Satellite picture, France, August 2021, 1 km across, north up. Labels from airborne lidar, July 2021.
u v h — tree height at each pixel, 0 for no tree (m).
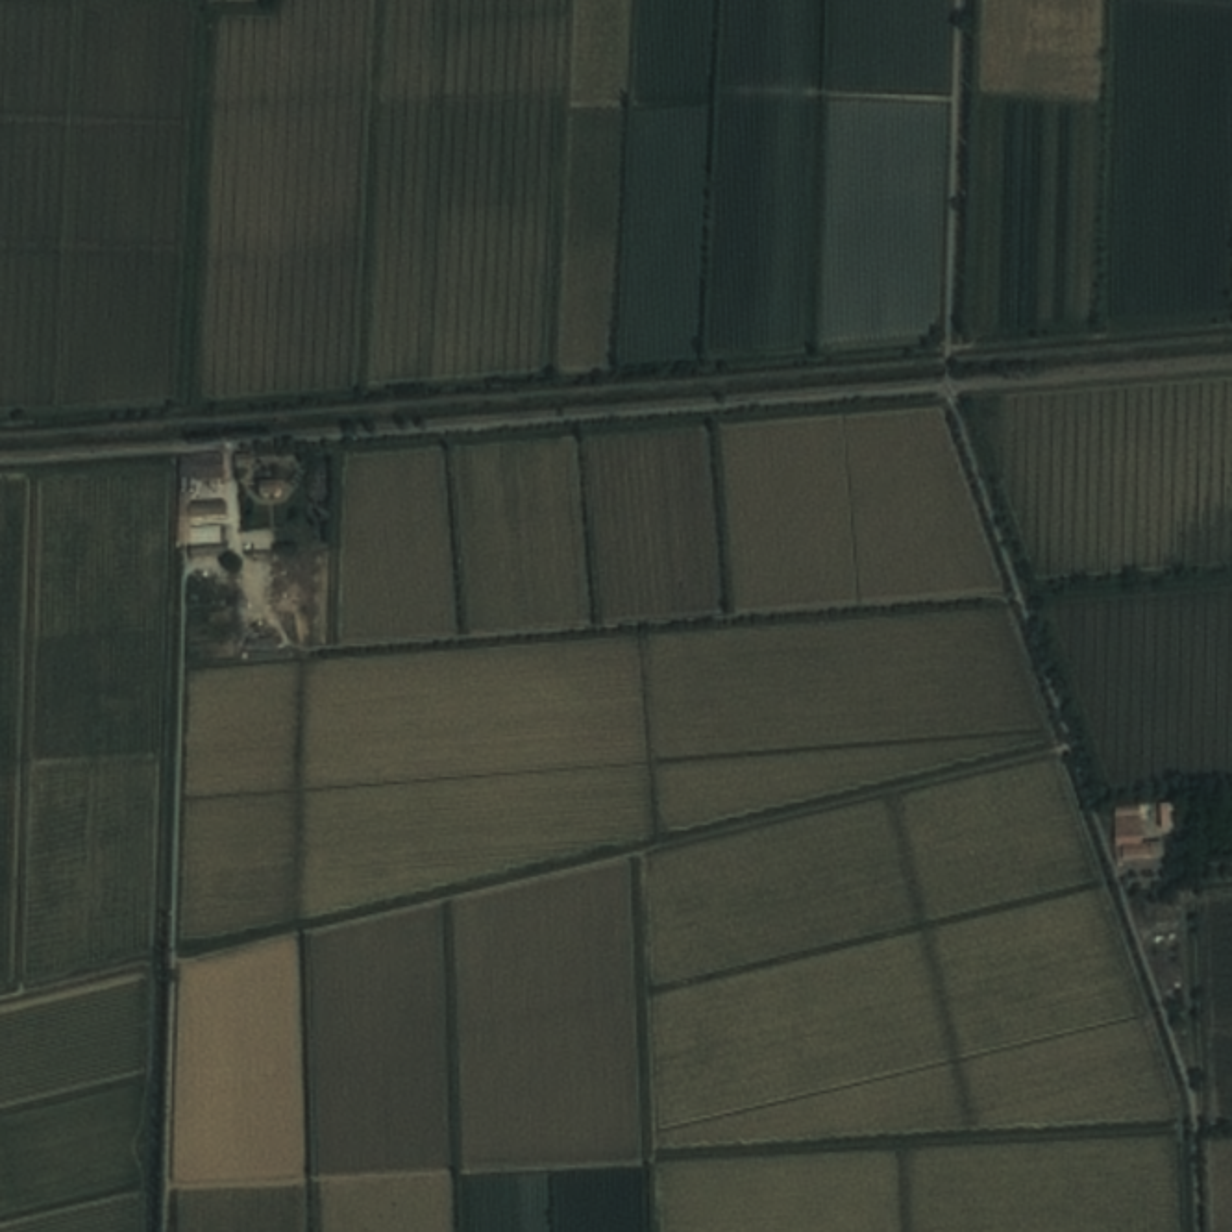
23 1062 0
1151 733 0
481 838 0
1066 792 0
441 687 0
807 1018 0
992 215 0
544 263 0
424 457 0
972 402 13
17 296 0
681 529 0
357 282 0
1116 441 0
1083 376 0
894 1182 0
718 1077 0
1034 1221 0
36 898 0
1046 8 0
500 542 0
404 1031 0
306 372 0
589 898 0
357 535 0
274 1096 0
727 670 0
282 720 0
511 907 0
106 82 0
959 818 0
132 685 0
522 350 0
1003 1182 0
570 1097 0
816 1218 0
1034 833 0
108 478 0
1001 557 7
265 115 0
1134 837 0
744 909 0
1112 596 0
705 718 0
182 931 0
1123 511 0
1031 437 0
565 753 0
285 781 0
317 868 0
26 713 0
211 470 0
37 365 0
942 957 0
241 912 0
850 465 0
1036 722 0
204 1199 0
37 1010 0
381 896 0
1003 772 0
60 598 0
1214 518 0
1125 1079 0
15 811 0
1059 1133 0
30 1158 0
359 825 0
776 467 0
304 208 0
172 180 0
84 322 0
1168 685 0
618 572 0
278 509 0
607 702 0
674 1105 0
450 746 0
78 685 0
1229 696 0
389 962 0
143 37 0
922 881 0
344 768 0
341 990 0
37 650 0
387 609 0
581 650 0
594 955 0
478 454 0
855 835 0
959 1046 0
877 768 0
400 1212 0
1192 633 0
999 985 0
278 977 0
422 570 0
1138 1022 0
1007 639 0
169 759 0
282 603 0
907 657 0
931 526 0
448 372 0
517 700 0
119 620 0
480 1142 0
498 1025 0
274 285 0
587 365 0
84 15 0
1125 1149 0
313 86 0
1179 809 23
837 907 0
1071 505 0
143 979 0
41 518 0
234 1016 0
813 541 0
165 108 0
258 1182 0
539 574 0
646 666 0
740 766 0
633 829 0
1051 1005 0
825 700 0
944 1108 0
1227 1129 12
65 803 0
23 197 0
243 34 0
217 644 0
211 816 0
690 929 0
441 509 0
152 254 0
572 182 0
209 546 0
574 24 0
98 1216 0
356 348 0
